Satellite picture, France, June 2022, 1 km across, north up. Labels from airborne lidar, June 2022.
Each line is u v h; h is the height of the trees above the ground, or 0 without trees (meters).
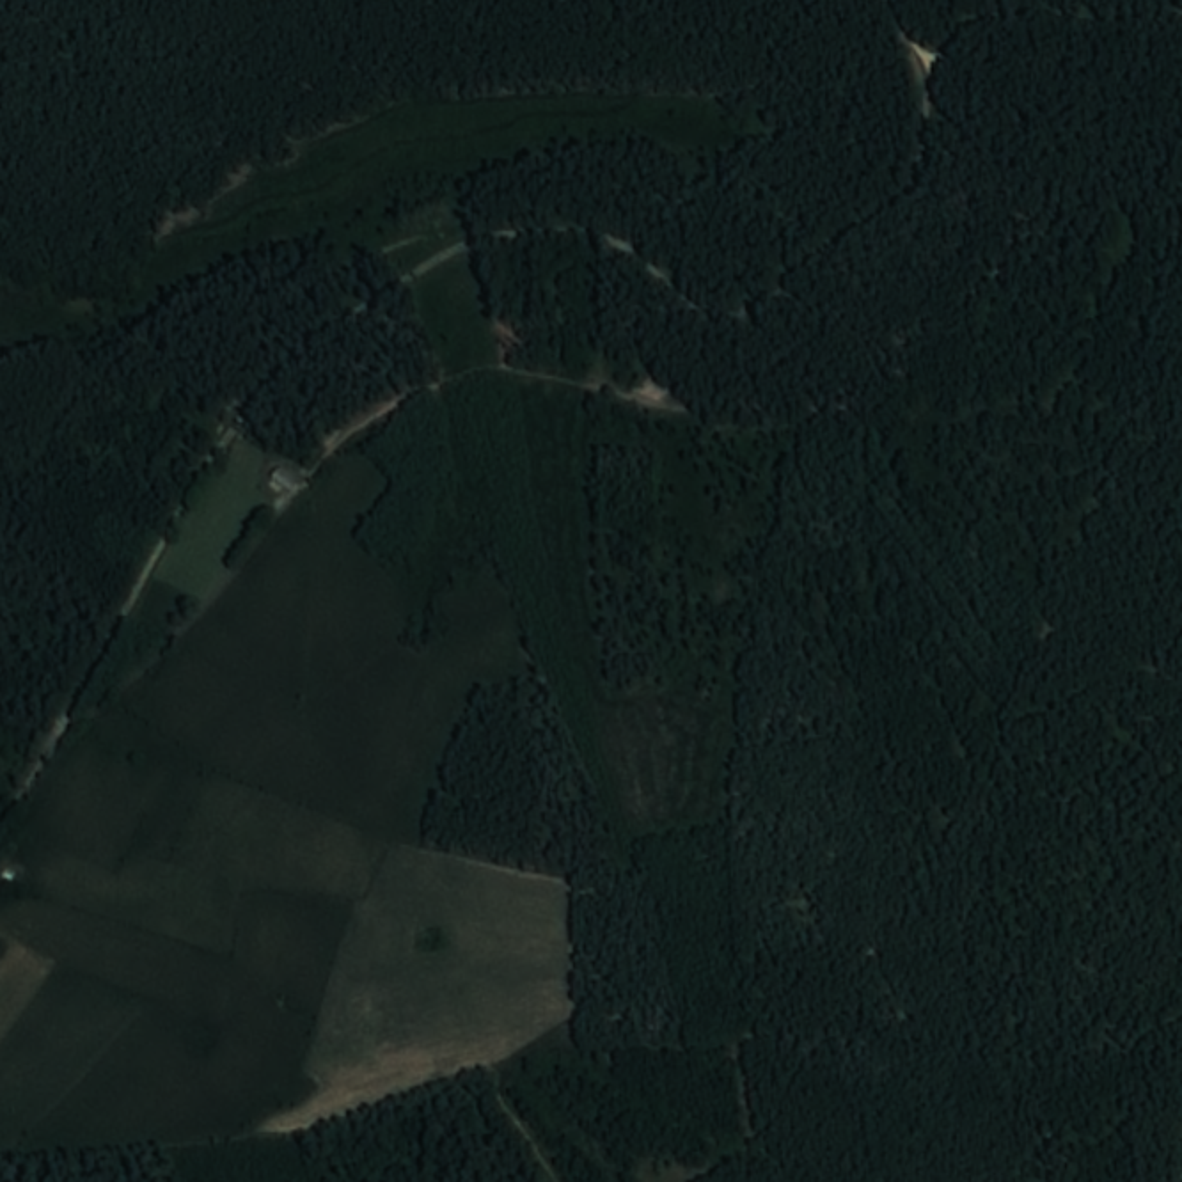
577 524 0
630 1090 12
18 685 24
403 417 17
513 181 24
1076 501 15
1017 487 15
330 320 28
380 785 0
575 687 7
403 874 0
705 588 0
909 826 15
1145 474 19
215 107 22
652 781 0
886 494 20
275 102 25
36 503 25
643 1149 14
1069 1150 23
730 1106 13
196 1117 0
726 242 23
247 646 0
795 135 25
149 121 22
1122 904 21
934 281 25
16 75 23
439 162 0
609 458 15
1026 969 18
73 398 26
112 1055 0
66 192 24
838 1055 22
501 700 16
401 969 0
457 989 0
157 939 0
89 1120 0
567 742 23
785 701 21
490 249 22
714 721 0
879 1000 18
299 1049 0
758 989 18
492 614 0
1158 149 29
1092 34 29
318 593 0
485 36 20
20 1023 0
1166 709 20
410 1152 9
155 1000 0
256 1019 0
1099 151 29
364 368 27
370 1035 0
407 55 21
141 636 20
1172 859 22
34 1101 0
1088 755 23
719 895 15
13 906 0
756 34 25
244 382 30
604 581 11
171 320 28
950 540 20
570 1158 8
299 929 0
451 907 0
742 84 23
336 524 0
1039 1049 23
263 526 20
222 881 0
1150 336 22
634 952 27
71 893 0
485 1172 21
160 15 22
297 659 0
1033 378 18
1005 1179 22
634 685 14
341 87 22
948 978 19
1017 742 19
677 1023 19
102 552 25
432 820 16
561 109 0
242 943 0
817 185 25
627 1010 24
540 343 19
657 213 27
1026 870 15
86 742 0
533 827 15
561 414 0
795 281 20
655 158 30
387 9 27
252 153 21
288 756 0
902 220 28
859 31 28
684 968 20
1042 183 31
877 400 25
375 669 0
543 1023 0
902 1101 28
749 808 17
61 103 20
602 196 29
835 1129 21
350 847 0
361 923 0
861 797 15
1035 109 26
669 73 25
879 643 15
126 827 0
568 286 13
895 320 21
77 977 0
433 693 0
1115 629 20
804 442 24
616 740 0
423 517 15
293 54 20
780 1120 18
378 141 0
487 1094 18
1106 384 16
